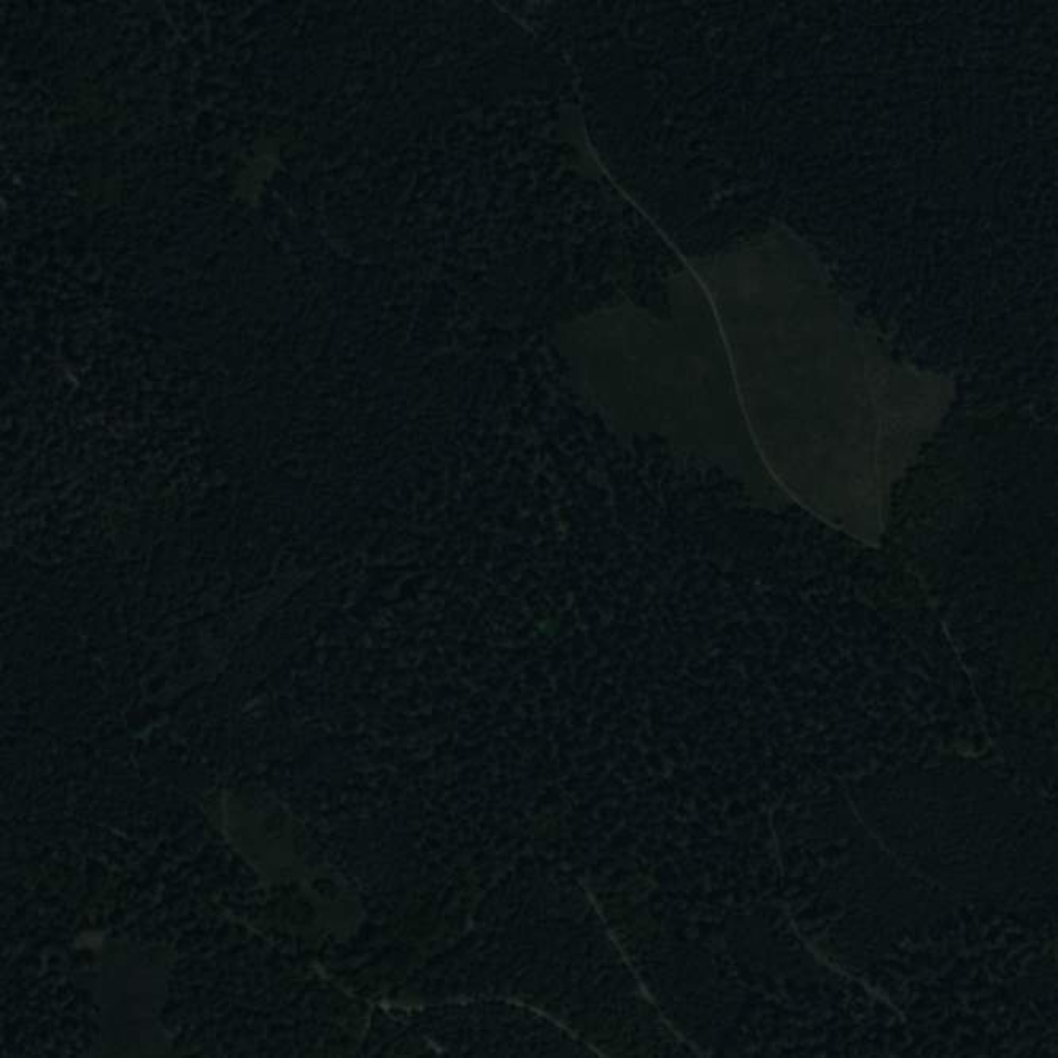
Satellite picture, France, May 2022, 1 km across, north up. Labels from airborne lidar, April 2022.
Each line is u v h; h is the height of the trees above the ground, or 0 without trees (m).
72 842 18
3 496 29
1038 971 7
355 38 18
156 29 28
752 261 0
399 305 21
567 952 13
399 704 31
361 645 24
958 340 28
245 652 7
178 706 12
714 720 23
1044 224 24
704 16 22
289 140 20
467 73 13
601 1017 11
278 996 14
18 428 32
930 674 36
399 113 19
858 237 25
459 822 12
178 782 19
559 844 16
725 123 26
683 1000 15
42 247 14
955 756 9
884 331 25
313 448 17
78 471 29
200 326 20
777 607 32
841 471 0
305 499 19
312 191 22
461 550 30
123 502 27
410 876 21
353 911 0
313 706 25
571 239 17
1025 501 13
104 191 17
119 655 15
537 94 12
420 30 16
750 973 7
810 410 0
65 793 22
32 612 19
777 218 19
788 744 26
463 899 11
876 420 0
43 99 29
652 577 31
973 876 8
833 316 0
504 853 12
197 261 19
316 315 17
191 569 9
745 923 9
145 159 17
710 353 0
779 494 0
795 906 7
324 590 6
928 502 10
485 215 27
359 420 19
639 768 30
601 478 0
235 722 8
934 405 0
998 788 10
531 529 29
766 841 12
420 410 16
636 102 18
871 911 6
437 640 36
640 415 0
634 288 18
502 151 23
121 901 24
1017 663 15
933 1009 27
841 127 23
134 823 15
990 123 19
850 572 26
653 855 34
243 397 20
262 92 22
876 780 10
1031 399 12
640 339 0
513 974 13
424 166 20
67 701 19
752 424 0
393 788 38
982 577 11
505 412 19
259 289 19
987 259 28
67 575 11
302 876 0
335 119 21
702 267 0
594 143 10
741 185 23
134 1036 0
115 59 27
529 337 16
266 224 16
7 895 28
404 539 28
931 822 7
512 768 32
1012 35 20
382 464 21
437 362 20
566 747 41
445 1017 11
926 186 18
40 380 27
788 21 26
